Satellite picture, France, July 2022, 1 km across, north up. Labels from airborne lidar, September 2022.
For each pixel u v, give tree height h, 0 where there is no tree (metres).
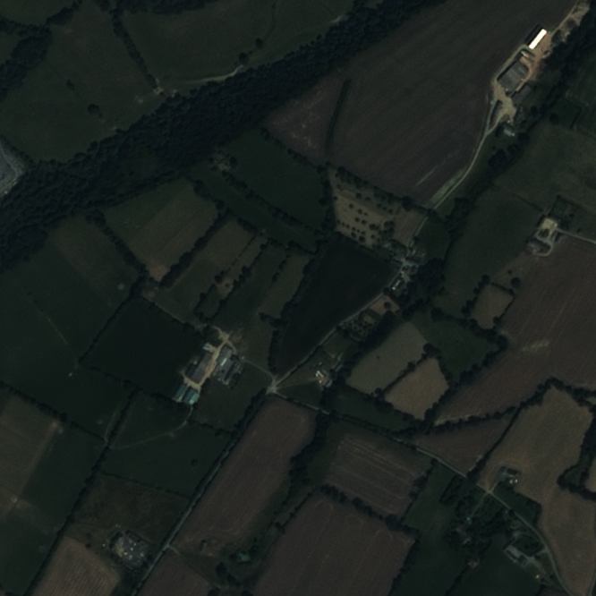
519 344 0
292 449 0
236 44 0
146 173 0
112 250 0
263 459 0
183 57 0
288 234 0
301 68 22
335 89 0
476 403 0
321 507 0
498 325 16
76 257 0
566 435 0
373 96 0
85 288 0
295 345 0
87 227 0
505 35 0
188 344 0
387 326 28
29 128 0
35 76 0
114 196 8
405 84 0
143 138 12
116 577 0
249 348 0
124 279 0
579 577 0
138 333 0
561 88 17
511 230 0
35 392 0
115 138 8
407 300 17
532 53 0
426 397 0
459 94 0
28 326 0
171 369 0
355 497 0
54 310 0
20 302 0
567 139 0
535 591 0
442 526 0
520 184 0
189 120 17
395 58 0
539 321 0
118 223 0
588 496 11
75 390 0
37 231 23
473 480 14
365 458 0
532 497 0
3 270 8
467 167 0
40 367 0
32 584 8
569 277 0
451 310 0
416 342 0
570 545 0
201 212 0
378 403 15
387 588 0
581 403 16
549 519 0
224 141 21
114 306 0
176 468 0
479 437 0
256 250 0
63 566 0
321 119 0
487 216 0
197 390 0
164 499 0
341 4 0
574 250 0
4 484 0
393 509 0
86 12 0
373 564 0
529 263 0
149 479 0
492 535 9
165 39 0
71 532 0
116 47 0
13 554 0
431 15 0
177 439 0
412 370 12
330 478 0
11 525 0
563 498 0
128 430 0
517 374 0
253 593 0
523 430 0
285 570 0
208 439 0
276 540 0
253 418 8
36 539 0
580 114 5
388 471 0
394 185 0
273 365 10
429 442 0
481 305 0
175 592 0
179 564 0
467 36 0
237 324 0
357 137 0
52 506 0
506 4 0
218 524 0
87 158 15
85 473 0
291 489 7
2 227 8
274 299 0
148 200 0
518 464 0
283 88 18
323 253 20
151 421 0
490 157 0
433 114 0
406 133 0
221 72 0
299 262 0
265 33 0
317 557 0
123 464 0
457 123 0
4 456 0
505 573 0
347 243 9
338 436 0
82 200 17
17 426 0
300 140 0
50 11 0
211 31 0
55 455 0
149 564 11
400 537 0
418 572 0
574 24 0
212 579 0
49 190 7
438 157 0
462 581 12
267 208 8
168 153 20
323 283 0
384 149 0
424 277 31
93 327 0
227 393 0
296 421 0
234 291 6
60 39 0
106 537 0
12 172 0
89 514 0
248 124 22
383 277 0
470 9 0
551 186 0
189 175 7
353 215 0
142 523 0
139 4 17
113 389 0
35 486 0
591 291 0
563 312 0
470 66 0
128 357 0
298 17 0
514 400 0
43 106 0
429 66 0
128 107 0
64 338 0
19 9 0
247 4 0
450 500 13
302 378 0
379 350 0
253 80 16
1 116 0
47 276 0
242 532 0
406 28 0
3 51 0
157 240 0
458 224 12
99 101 0
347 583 0
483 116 0
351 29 6
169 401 13
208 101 19
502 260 0
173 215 0
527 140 19
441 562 0
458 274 0
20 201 8
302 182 0
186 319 0
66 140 0
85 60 0
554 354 0
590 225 0
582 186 0
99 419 0
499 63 0
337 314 0
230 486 0
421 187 0
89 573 0
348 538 0
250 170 0
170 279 15
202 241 12
